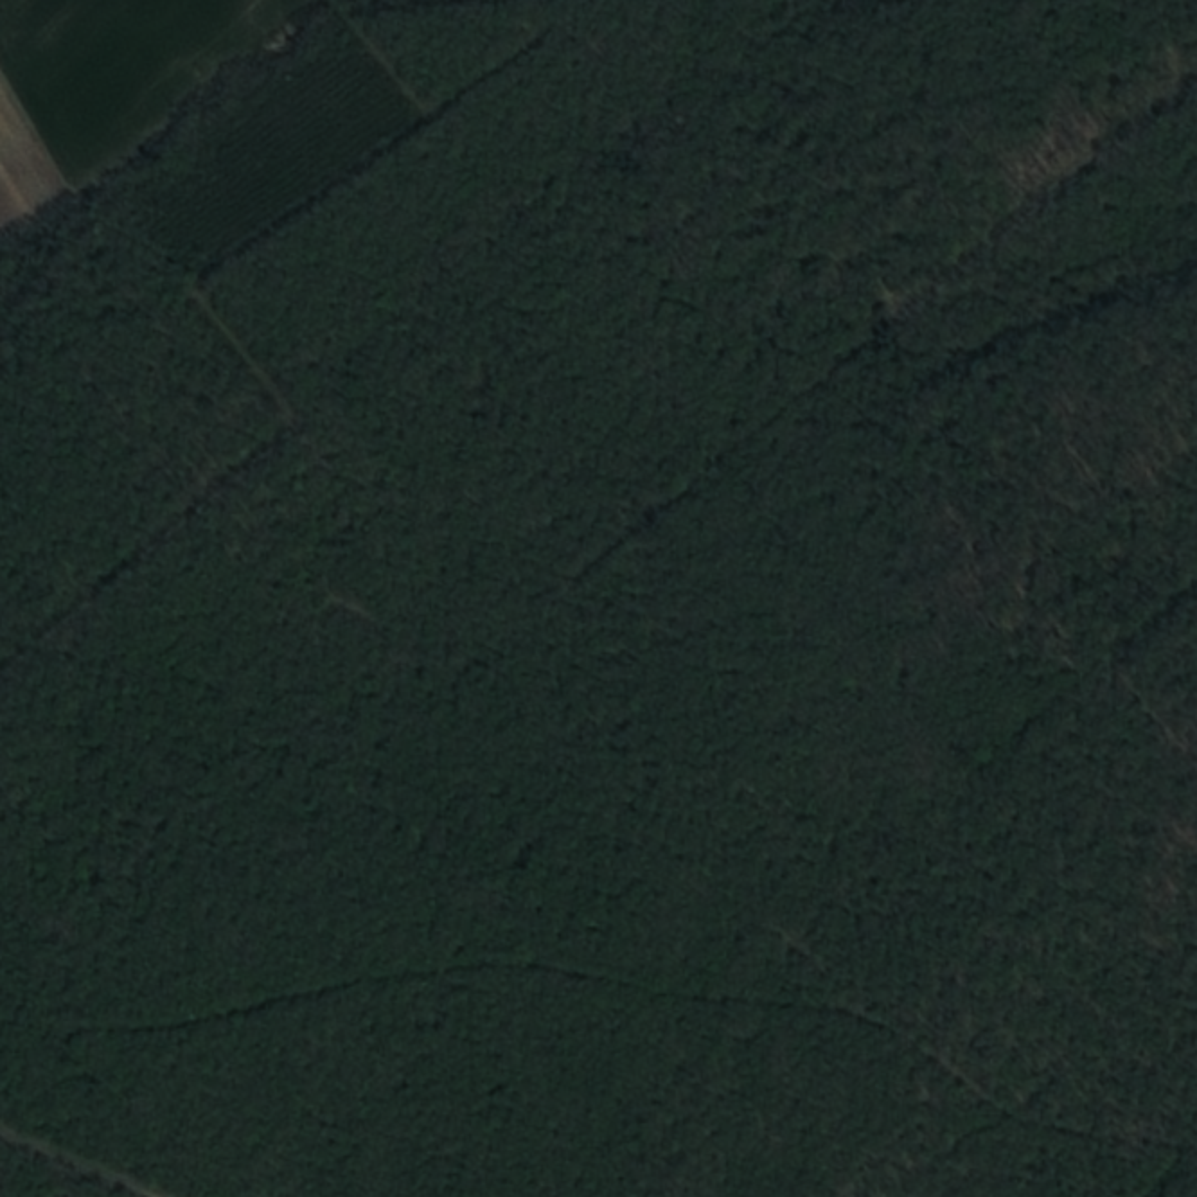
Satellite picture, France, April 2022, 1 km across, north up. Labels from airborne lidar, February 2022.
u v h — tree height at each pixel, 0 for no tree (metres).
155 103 0
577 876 19
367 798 24
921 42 25
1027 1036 21
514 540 22
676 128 24
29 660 22
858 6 24
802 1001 18
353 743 23
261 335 23
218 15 0
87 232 25
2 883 19
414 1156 19
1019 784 26
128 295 22
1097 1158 20
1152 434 28
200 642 22
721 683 22
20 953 21
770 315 25
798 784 20
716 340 21
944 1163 19
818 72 25
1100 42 23
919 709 23
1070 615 27
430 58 22
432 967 14
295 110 5
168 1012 16
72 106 0
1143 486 28
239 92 19
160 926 23
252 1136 21
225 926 24
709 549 20
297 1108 22
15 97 0
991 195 22
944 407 26
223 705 23
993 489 26
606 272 23
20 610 26
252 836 21
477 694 23
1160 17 26
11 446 22
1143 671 25
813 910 23
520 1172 18
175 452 22
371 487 20
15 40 0
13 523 23
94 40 0
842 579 24
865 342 22
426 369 24
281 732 21
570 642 22
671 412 23
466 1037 18
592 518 23
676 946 21
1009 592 30
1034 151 23
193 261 6
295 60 17
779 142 24
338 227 22
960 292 25
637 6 23
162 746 23
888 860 26
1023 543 29
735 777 21
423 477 19
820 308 23
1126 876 24
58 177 0
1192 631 23
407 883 20
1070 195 18
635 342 20
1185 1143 18
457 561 19
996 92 23
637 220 25
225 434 26
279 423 23
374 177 21
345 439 23
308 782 24
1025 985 20
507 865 23
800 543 25
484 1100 20
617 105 22
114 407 24
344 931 18
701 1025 20
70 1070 20
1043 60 28
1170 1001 24
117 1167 22
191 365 17
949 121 26
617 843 19
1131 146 25
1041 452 26
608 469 21
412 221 23
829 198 24
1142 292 19
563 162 25
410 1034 20
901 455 25
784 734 21
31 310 31
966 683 27
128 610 24
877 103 27
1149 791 22
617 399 21
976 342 26
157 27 0
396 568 20
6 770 25
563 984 22
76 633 24
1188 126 25
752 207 24
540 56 20
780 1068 22
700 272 26
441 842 22
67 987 20
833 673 20
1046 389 28
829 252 25
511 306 21
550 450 22
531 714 24
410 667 23
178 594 21
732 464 20
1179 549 22
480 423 18
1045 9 21
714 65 25
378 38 22
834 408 20
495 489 21
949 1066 19
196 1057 19
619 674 24
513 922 21
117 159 0
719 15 24
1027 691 24
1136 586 25
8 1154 21
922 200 22
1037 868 21
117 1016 19
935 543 28
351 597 23
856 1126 19
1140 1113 22
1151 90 25
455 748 20
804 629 22
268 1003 8
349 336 23
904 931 20
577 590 21
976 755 26
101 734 22
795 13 22
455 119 21
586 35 22
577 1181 20
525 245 24
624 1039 19
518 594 21
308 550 23
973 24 24
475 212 24
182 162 22
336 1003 20
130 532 23
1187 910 24
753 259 22
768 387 20
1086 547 25
